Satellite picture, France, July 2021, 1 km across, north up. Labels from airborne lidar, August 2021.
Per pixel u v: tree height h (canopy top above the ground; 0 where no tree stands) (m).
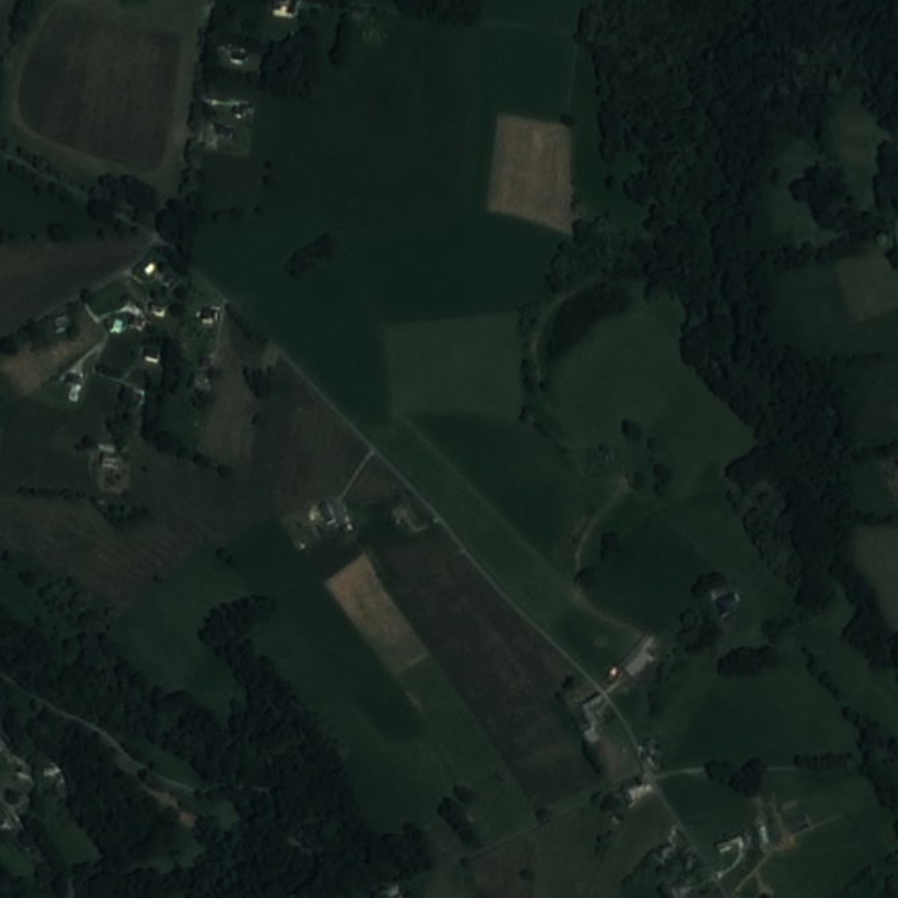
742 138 24
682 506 0
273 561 0
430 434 0
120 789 27
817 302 0
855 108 0
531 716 0
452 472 0
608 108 19
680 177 20
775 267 8
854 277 0
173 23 0
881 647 19
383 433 0
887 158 18
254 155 0
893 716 0
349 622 0
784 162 0
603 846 10
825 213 24
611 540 18
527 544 0
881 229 12
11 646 19
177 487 0
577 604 0
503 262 0
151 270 0
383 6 0
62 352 0
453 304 0
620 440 0
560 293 17
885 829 0
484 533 0
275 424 0
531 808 0
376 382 0
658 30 22
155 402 19
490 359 0
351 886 30
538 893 0
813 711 0
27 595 0
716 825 0
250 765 31
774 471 26
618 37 18
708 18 23
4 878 26
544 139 0
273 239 0
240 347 0
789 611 0
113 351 0
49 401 0
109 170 0
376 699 0
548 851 0
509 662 0
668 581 0
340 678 0
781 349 13
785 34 25
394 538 0
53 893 8
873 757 23
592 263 16
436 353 0
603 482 0
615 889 0
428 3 27
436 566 0
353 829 26
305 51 23
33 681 25
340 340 0
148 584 0
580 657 0
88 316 0
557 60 0
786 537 19
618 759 0
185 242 22
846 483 10
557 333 8
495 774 0
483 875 0
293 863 27
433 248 0
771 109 17
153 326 6
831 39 22
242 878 24
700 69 26
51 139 0
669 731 0
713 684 0
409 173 0
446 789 0
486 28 0
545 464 0
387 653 0
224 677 0
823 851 0
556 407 0
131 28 0
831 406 18
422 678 0
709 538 0
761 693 0
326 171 0
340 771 10
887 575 0
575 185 6
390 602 0
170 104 0
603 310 16
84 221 0
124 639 0
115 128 0
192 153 14
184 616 0
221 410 0
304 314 0
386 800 0
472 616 0
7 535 0
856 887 12
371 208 0
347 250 0
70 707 23
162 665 0
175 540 0
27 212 0
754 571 0
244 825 15
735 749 0
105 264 0
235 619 33
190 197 12
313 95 21
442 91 0
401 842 20
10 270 0
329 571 0
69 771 22
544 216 0
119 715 20
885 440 0
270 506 0
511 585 0
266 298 0
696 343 28
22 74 0
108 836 22
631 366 0
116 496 0
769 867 0
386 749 0
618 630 0
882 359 9
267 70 15
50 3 0
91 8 0
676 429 0
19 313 0
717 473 0
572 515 0
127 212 7
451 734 0
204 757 19
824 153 9
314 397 0
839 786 0
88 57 0
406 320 0
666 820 0
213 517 0
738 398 32
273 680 20
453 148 0
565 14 0
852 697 0
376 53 0
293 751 26
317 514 0
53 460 0
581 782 0
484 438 0
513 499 0
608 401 0
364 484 0
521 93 0
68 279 0
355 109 0
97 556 0
